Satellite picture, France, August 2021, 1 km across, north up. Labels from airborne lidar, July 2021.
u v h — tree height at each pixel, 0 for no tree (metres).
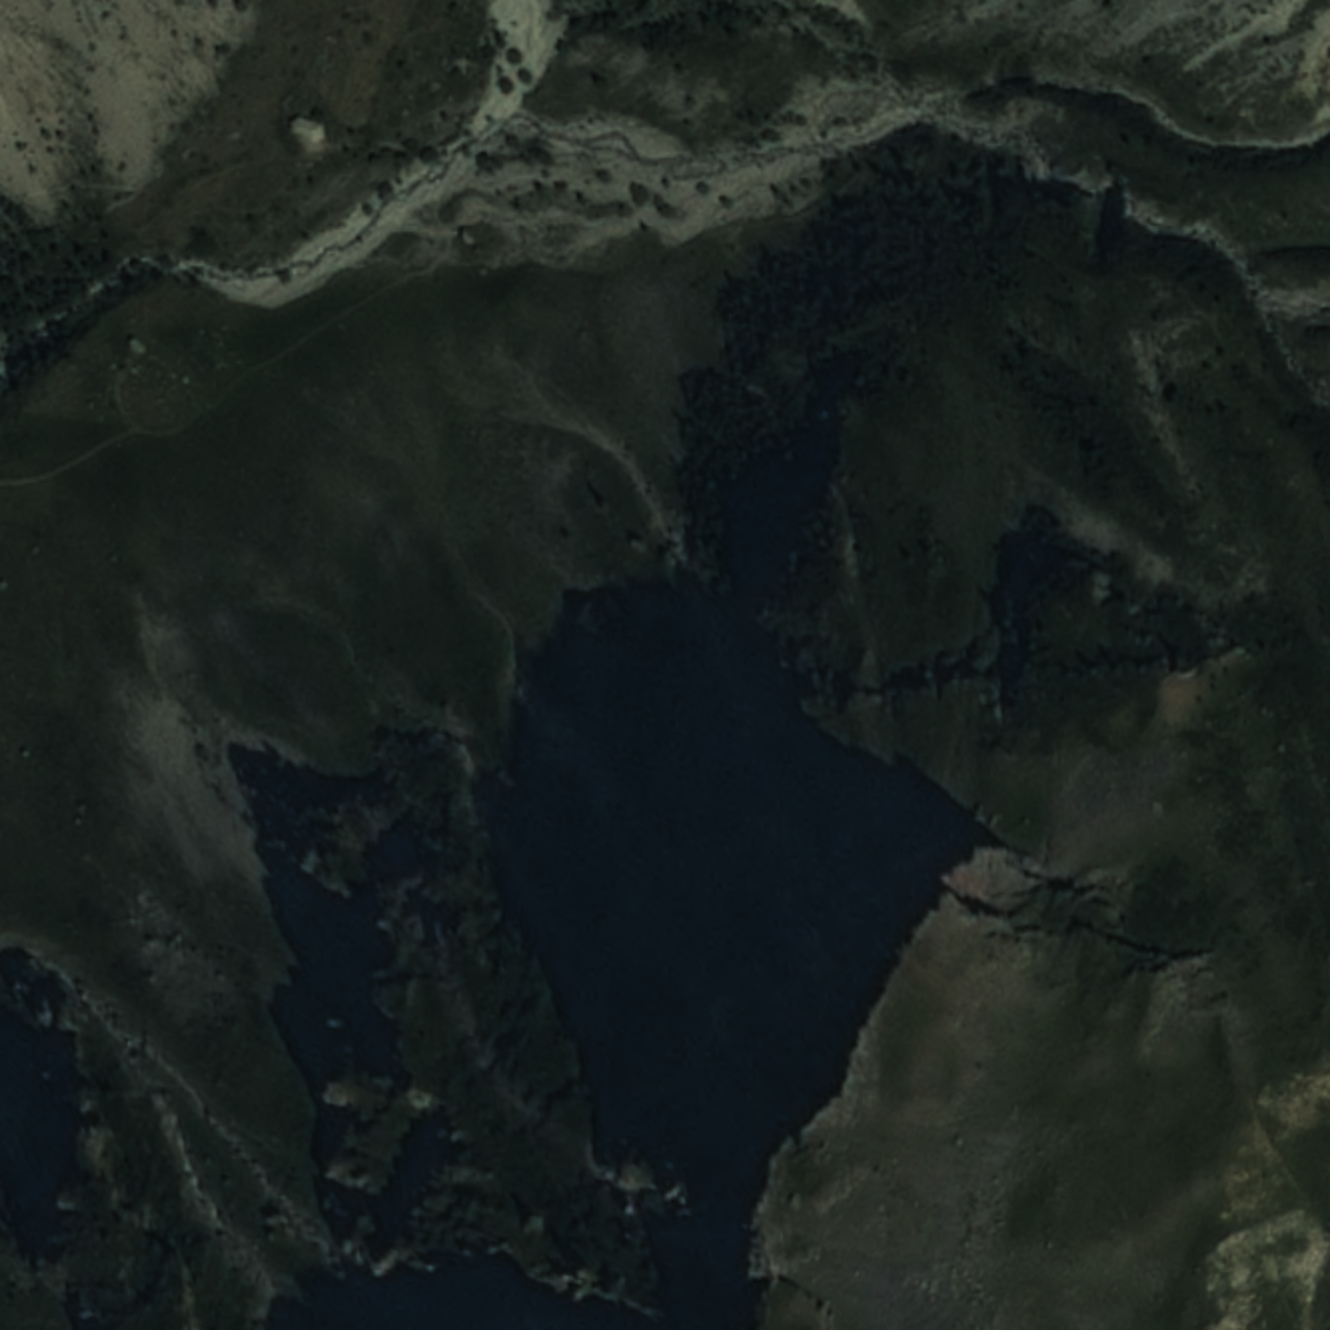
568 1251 0
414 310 0
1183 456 0
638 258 0
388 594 0
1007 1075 0
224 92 0
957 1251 0
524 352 0
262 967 0
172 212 0
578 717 0
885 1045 0
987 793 0
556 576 0
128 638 0
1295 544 0
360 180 0
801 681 0
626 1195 0
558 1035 0
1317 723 0
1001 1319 0
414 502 0
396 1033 0
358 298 0
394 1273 0
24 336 11
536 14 0
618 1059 0
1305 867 0
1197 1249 0
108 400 0
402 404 0
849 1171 0
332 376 0
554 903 0
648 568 0
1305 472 0
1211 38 0
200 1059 0
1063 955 0
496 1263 0
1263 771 0
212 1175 0
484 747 0
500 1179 0
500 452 0
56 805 0
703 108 0
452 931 0
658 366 0
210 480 0
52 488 0
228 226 0
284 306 0
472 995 0
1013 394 0
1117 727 0
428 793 0
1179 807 0
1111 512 0
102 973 0
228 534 0
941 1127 0
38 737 0
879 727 0
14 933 0
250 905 0
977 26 0
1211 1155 0
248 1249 0
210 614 0
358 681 0
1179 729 0
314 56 0
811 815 0
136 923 0
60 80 0
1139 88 0
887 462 0
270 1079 0
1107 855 0
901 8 0
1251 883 0
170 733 0
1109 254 9
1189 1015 0
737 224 0
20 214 14
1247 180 0
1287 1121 0
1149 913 0
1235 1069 0
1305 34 0
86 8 0
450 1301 0
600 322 0
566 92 0
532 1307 0
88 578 0
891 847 0
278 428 0
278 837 0
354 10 0
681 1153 0
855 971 0
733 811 0
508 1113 0
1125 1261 0
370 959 0
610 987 0
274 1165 0
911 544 0
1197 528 0
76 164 0
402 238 0
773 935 0
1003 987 0
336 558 0
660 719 0
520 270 0
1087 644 0
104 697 0
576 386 0
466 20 0
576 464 0
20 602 0
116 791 0
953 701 0
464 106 0
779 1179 0
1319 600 0
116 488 0
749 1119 0
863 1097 0
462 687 0
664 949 0
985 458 0
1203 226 0
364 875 0
